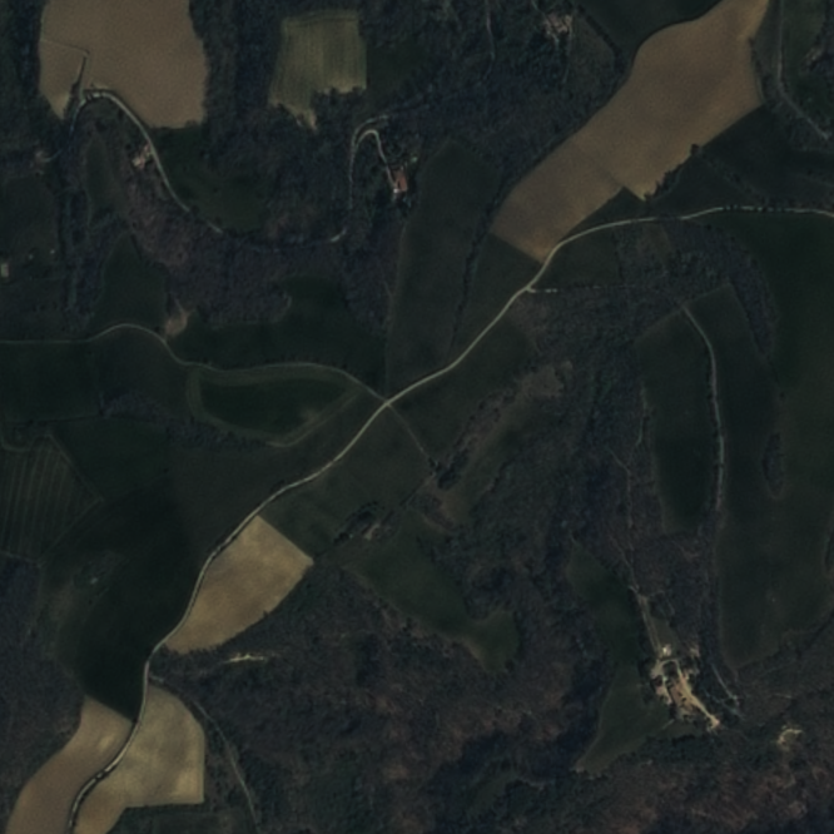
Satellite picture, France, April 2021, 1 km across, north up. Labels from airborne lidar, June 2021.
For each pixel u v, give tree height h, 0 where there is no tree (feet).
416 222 0
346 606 63
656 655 43
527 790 32
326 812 25
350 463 0
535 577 123
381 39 69
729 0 0
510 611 41
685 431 0
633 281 36
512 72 47
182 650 0
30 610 39
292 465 0
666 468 0
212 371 0
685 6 0
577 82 31
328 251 60
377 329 42
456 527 32
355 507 0
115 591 0
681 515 0
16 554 0
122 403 45
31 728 42
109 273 0
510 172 38
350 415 0
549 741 100
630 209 0
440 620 0
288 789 24
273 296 64
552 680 77
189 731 0
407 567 0
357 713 134
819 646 37
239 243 76
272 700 116
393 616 35
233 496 0
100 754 0
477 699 66
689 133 0
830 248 0
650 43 0
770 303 35
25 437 0
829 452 0
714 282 34
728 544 0
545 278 0
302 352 0
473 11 100
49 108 40
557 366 44
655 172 0
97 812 0
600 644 25
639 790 47
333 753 25
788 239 0
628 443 52
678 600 42
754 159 0
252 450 32
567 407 42
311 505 0
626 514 53
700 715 48
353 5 44
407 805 94
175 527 0
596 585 0
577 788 25
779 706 33
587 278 0
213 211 0
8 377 0
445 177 0
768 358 24
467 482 0
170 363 0
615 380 50
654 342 0
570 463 37
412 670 37
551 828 50
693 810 80
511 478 46
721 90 0
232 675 105
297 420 0
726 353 0
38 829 0
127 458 0
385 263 68
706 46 0
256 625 20
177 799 0
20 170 46
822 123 55
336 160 60
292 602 31
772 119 0
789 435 0
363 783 60
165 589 0
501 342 0
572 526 47
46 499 0
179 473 0
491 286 0
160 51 0
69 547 0
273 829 40
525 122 45
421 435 0
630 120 0
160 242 0
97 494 0
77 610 0
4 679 60
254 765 32
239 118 36
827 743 45
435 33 86
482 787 25
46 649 21
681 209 0
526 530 60
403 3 90
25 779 31
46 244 0
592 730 53
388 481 0
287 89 0
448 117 46
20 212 0
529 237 0
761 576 0
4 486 0
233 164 58
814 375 0
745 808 69
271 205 35
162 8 0
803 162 0
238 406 0
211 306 50
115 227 33
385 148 18
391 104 44
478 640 0
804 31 0
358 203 65
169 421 24
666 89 0
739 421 0
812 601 0
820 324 0
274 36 65
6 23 21
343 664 96
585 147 0
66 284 27
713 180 0
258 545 0
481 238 24
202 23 59
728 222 0
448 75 83
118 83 0
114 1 0
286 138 60
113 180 0
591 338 43
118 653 0
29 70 34
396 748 89
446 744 40
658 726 0
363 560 0
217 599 0
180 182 0
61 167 78
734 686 22
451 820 50
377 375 0
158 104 0
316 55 0
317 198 73
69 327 21
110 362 0
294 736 64
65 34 0
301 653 56
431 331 0
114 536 0
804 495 0
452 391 0
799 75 0
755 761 25
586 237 0
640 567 42
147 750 0
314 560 18
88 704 0
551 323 20
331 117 61
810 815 93
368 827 41
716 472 32
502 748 43
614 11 0
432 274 0
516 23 50
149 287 0
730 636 0
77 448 0
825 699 57
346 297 57
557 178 0
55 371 0
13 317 0
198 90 0
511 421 0
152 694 0
